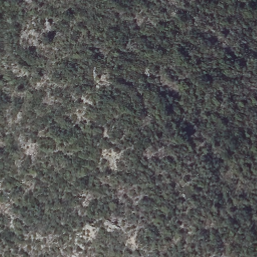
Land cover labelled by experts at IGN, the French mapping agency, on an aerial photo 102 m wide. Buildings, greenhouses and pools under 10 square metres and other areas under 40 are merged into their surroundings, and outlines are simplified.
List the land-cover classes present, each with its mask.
<instances>
[{"label":"brushwood","instance_id":"1","mask_svg":"<svg viewBox=\"0 0 257 257\"><path fill-rule=\"evenodd\" d=\"M111 216L120 217L122 225L131 223L133 226L127 227V231L145 225L139 230L136 238L138 249L132 250L125 246V242L130 238L124 236L121 230L106 231L104 222H109ZM87 224L97 227L99 231L89 242L79 238L78 243L84 246V249H81L74 244V239L76 233L81 232ZM0 257H257V0H0Z\"/></svg>","mask_w":257,"mask_h":257},{"label":"bare soil","instance_id":"2","mask_svg":"<svg viewBox=\"0 0 257 257\"><path fill-rule=\"evenodd\" d=\"M133 226L131 223L122 225L120 217L111 216L109 222H104L106 231L121 230L124 236L130 238L125 242V246L132 250L138 249L136 238L139 230L145 225L127 231V227ZM99 231L97 227L87 224L81 232L76 233L74 239V244L81 249H84V246L78 243L79 238L89 242Z\"/></svg>","mask_w":257,"mask_h":257}]
</instances>
